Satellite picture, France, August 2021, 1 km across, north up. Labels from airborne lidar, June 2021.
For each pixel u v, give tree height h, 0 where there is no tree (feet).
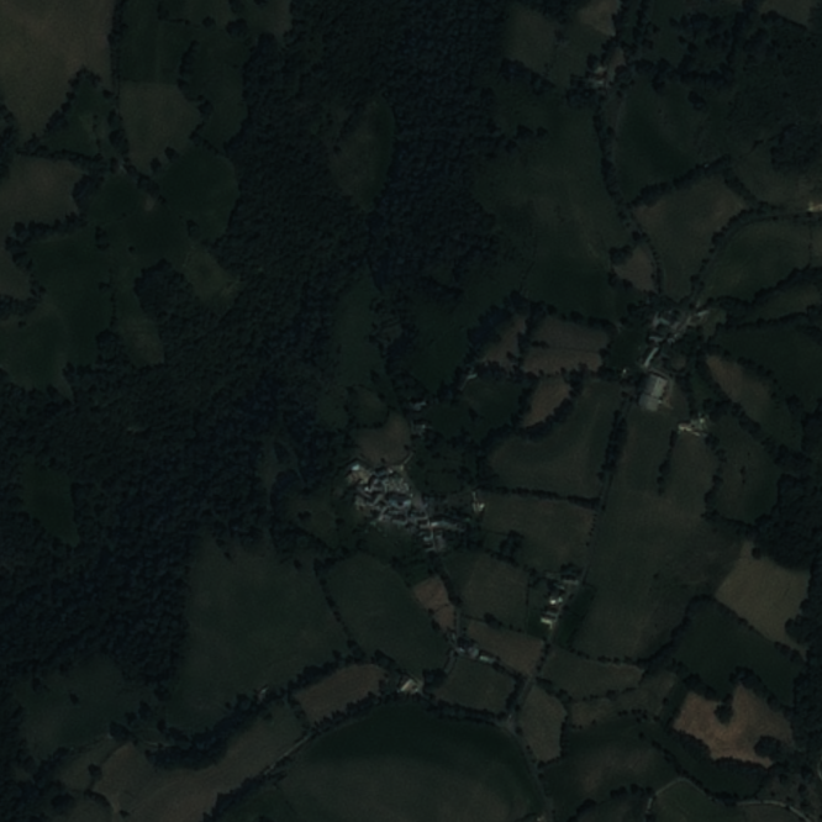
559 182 0
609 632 0
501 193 0
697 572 0
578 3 43
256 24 0
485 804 0
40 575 70
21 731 45
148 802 0
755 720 0
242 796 51
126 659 89
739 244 0
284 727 0
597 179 0
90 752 0
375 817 0
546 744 0
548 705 0
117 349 88
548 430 44
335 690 0
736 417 43
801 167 49
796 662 56
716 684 0
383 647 0
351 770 0
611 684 0
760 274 0
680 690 0
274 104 53
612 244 0
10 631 87
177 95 0
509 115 0
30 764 38
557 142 0
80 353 0
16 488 83
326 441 38
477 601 0
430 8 72
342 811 0
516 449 0
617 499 0
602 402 0
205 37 0
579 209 0
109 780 0
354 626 0
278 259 32
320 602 0
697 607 53
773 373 28
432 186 76
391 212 69
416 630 0
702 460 0
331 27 33
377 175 0
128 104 0
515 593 0
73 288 0
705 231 0
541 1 57
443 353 0
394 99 87
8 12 0
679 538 0
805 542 66
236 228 62
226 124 0
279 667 0
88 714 0
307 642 0
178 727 0
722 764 43
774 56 37
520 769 0
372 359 0
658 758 0
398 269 75
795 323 49
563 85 0
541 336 0
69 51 0
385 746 0
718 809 0
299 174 57
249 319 73
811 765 26
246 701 43
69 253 0
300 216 48
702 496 0
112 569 83
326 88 73
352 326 0
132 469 86
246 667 0
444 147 85
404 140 32
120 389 65
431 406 30
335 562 21
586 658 18
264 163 57
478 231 77
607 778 0
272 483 0
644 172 0
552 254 0
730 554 0
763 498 0
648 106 0
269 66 60
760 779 46
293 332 80
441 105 88
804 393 0
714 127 0
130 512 84
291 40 28
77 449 71
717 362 0
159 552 48
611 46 33
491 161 35
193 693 0
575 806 0
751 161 0
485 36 60
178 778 0
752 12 61
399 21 54
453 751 0
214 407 75
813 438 66
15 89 0
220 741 49
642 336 0
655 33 28
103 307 0
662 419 0
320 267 78
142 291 68
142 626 69
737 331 32
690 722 0
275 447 0
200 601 0
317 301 90
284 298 72
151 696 0
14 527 93
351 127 61
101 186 53
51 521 0
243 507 67
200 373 60
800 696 41
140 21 0
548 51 0
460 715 42
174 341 49
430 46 59
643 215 0
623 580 0
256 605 0
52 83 0
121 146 66
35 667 65
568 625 0
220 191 0
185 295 60
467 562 0
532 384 49
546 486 0
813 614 74
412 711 0
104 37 0
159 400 81
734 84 43
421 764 0
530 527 0
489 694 0
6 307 73
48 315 0
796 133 44
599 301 0
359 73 78
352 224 51
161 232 0
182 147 0
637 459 0
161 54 0
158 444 67
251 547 31
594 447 0
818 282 44
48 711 0
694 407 28
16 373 0
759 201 20
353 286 0
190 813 0
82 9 0
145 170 0
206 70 0
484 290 0
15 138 58
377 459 0
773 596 0
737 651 0
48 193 0
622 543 0
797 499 59
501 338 25
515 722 0
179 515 43
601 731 0
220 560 0
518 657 0
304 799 0
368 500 0
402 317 20
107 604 86
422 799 0
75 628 86
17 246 71
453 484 0
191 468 32
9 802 66
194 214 0
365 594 0
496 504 0
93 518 94
